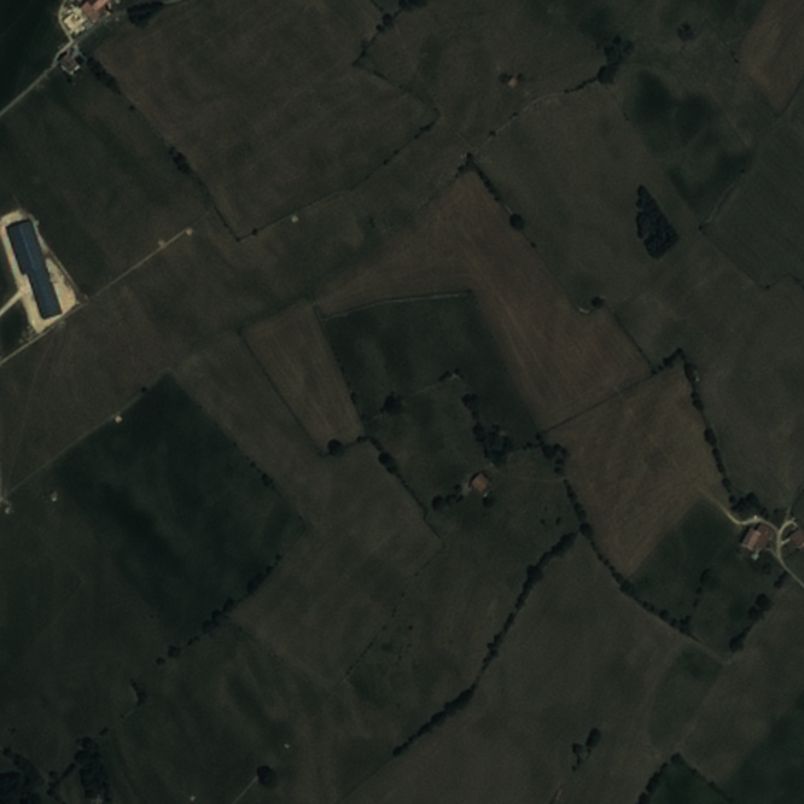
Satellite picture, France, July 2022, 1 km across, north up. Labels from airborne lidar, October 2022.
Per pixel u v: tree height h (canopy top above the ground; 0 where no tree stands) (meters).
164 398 0
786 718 0
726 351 0
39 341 0
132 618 0
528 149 0
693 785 0
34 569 0
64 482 0
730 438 0
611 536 0
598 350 0
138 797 0
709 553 0
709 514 0
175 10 0
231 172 0
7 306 0
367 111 0
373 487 0
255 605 0
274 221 0
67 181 0
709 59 0
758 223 0
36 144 0
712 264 0
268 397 0
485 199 0
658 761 0
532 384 0
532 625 0
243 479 0
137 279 0
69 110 0
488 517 0
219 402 0
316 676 0
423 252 0
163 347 0
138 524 0
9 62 0
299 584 0
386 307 0
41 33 0
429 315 0
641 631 0
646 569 0
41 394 0
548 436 0
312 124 0
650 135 0
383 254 0
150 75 0
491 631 0
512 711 0
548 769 0
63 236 0
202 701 0
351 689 0
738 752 0
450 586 0
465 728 0
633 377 0
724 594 0
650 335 0
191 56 0
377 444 12
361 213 0
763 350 0
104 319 0
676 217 0
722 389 0
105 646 0
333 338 0
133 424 0
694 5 0
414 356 0
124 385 0
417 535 0
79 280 0
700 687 0
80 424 0
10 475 0
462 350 0
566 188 0
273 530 0
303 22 0
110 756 0
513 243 0
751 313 0
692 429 0
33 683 0
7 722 0
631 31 0
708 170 0
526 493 0
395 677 0
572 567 0
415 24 0
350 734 0
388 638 0
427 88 0
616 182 0
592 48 0
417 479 0
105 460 0
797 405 0
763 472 0
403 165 0
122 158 0
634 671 0
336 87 0
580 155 0
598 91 0
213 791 0
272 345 0
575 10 0
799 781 0
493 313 0
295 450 0
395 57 0
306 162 0
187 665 0
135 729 0
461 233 0
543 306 0
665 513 0
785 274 0
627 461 0
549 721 0
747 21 0
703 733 0
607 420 0
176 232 0
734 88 0
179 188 0
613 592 0
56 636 0
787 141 0
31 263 0
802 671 0
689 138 0
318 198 0
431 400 0
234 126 0
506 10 0
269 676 0
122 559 0
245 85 0
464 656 0
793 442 0
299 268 0
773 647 0
